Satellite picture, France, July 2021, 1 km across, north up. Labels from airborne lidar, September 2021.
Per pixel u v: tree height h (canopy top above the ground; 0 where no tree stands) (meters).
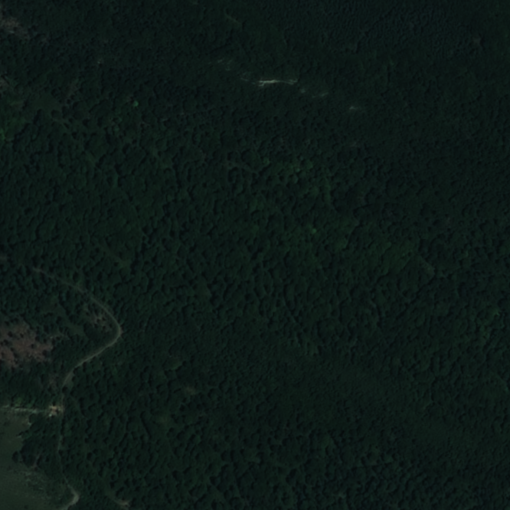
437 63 20
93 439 31
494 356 25
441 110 16
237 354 21
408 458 10
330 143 8
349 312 34
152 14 13
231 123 10
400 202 9
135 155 28
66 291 30
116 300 7
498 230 8
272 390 27
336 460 14
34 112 7
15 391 24
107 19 20
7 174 31
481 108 26
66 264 31
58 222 28
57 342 21
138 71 24
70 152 31
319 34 21
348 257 24
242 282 7
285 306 35
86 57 7
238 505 29
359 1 24
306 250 27
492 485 25
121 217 36
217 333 9
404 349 30
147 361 23
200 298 32
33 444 29
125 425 25
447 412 21
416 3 24
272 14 22
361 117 10
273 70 9
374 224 18
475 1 26
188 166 30
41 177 31
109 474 12
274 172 28
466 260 29
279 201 22
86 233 28
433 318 24
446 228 8
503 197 13
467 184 16
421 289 17
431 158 16
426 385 28
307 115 8
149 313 27
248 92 7
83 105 22
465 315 22
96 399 31
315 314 28
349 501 20
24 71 8
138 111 18
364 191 8
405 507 25
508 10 27
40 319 31
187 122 15
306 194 18
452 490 13
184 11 24
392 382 7
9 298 33
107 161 30
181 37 17
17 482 0
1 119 27
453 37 21
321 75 14
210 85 9
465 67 21
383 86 27
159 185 31
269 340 24
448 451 8
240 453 30
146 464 14
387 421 19
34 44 19
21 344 0
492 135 9
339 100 7
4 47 21
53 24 15
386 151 10
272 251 30
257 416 24
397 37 20
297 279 32
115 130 27
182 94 24
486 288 11
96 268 27
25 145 30
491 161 12
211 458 10
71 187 35
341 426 9
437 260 25
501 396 24
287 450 7
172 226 31
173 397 26
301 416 19
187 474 28
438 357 10
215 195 30
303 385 20
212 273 34
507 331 22
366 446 27
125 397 15
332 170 24
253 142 9
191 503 14
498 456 18
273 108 10
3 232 30
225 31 24
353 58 23
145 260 7
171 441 10
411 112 24
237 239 35
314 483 32
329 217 26
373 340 32
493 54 24
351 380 7
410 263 22
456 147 16
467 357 15
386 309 30
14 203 31
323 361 11
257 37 21
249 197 29
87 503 12
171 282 7
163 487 30
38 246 32
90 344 14
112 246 29
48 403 27
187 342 22
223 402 32
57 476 23
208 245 32
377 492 25
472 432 15
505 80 20
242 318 30
